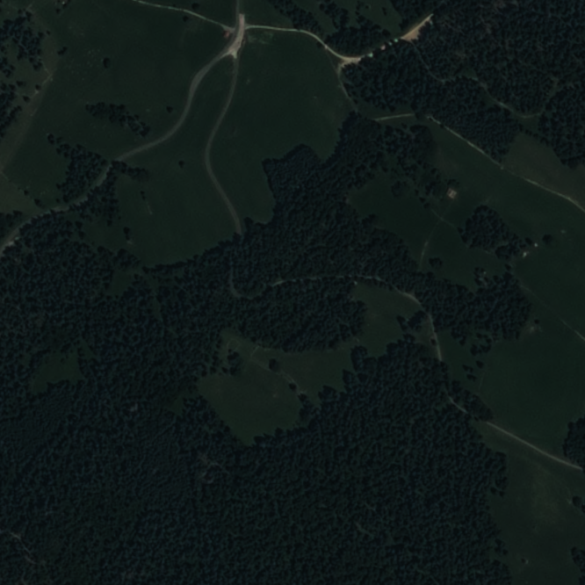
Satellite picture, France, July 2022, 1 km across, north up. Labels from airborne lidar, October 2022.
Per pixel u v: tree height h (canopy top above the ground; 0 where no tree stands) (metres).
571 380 0
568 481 0
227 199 0
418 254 0
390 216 0
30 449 16
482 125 26
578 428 18
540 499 0
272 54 0
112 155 0
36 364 13
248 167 0
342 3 0
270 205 0
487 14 23
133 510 8
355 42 22
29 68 0
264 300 20
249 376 0
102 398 23
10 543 8
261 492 22
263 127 0
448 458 23
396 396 26
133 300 23
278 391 0
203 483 11
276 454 26
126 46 0
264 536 26
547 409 0
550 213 0
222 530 22
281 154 0
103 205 15
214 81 0
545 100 19
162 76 0
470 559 20
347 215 23
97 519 11
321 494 25
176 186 0
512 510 0
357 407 23
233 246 25
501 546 24
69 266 16
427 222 0
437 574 23
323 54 0
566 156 21
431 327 0
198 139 0
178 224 0
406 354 26
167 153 0
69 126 0
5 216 15
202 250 0
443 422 23
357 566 23
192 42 0
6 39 22
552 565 0
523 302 20
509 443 0
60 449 26
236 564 15
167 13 0
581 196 0
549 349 0
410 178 18
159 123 0
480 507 26
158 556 26
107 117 13
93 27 0
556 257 0
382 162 23
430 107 18
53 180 0
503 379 0
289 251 19
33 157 0
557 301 0
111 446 8
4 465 13
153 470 21
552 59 5
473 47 20
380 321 0
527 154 0
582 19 24
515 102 24
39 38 8
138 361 23
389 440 21
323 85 0
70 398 18
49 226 22
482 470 26
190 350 21
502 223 18
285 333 11
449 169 0
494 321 26
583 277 0
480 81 9
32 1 0
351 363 0
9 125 22
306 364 0
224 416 0
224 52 0
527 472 0
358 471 20
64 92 0
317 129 0
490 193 0
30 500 7
